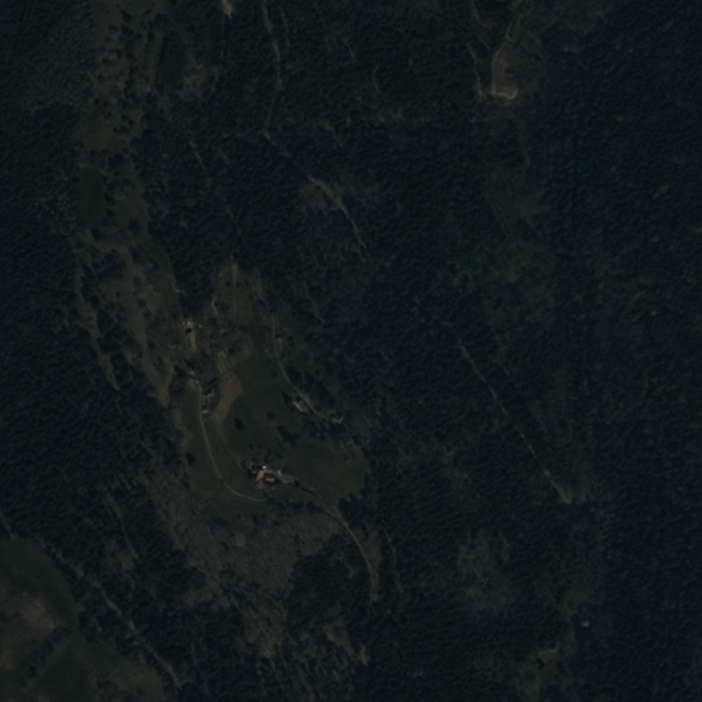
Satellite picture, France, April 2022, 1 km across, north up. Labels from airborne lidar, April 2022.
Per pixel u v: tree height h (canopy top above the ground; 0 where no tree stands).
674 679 28
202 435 0
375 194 29
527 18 11
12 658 0
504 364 7
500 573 20
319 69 25
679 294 23
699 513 20
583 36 30
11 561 0
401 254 33
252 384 0
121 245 18
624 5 33
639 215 28
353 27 20
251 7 31
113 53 10
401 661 25
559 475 23
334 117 31
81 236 23
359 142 36
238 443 0
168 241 29
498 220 34
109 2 0
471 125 29
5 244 23
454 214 33
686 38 30
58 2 16
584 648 8
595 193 31
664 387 25
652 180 29
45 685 0
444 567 24
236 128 34
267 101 25
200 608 9
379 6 27
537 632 27
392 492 30
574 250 31
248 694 29
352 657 18
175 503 11
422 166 33
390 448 27
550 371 34
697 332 21
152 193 12
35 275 22
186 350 0
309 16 23
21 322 22
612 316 30
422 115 32
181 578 10
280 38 25
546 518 25
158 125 20
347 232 28
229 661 31
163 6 0
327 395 26
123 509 11
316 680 32
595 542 28
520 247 23
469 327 34
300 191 40
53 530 22
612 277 30
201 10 29
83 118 12
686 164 23
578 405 34
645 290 25
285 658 31
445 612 25
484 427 19
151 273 15
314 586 8
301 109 26
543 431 28
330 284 33
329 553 7
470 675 28
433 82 30
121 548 24
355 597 6
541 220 33
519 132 25
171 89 16
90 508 22
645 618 28
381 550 11
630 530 28
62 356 24
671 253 22
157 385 0
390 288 34
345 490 0
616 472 25
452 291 27
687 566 33
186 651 8
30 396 23
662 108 29
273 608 8
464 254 34
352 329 39
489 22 22
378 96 22
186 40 12
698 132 26
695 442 30
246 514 0
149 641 24
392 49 21
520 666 22
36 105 16
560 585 26
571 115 30
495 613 19
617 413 30
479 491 21
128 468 17
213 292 28
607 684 29
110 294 0
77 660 0
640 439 27
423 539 21
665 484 22
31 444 24
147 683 0
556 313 30
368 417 25
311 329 28
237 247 30
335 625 13
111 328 19
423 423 33
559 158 24
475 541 8
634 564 28
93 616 20
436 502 28
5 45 17
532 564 26
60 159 23
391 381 25
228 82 28
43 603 0
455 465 20
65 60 13
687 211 23
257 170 39
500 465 26
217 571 11
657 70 27
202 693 16
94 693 0
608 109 28
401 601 27
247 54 34
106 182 11
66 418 25
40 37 20
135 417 25
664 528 21
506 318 37
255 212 30
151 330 14
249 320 0
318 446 0
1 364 19
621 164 29
